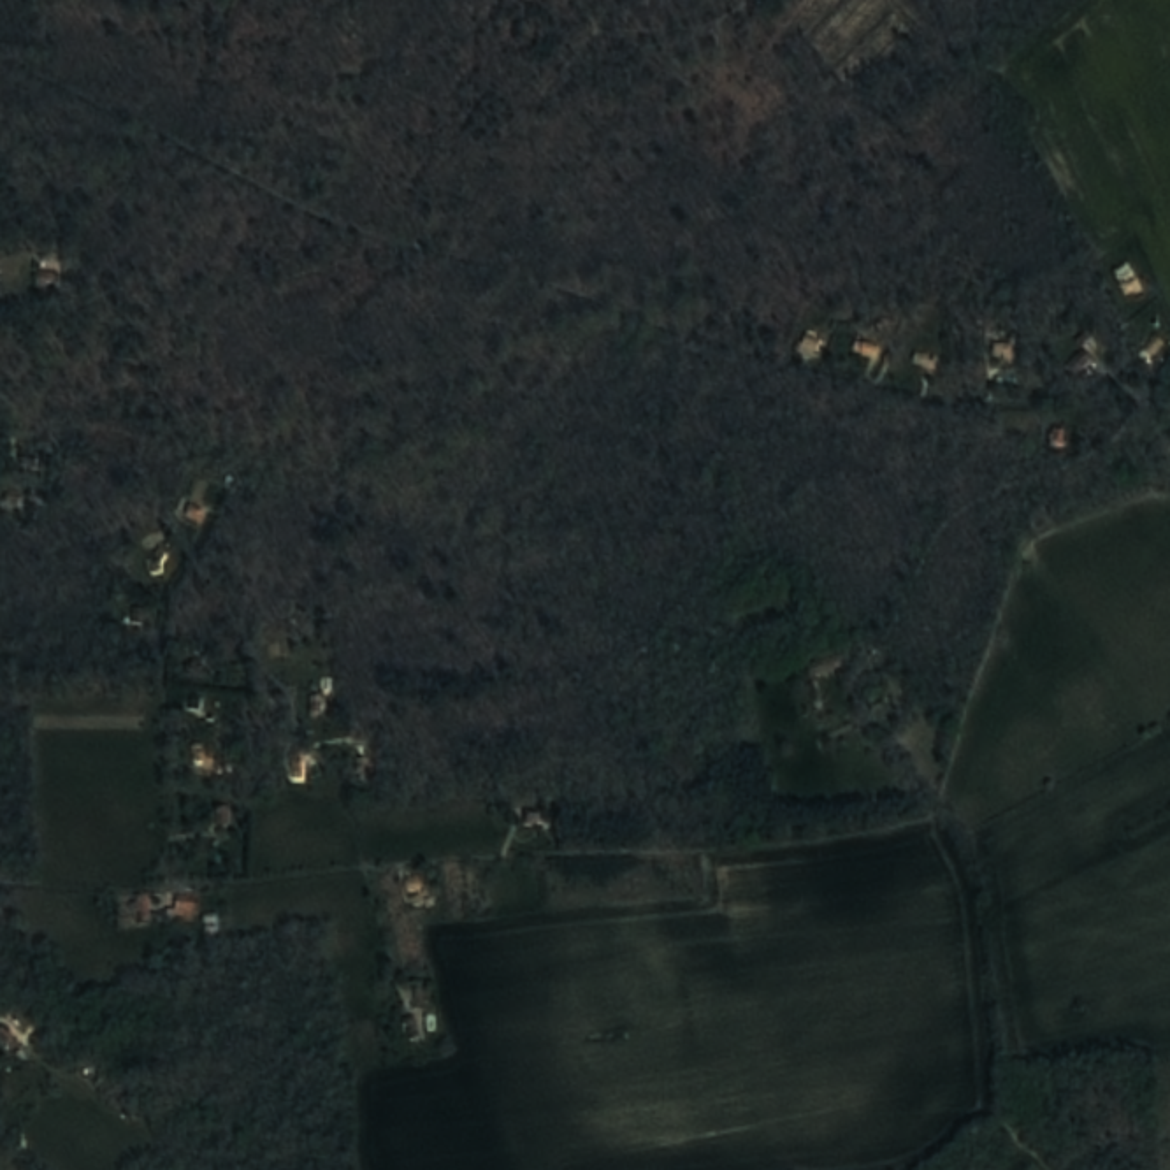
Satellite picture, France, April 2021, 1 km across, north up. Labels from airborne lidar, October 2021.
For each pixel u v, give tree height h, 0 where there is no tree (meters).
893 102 15
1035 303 21
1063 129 0
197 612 18
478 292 17
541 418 20
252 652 19
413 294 15
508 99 8
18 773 15
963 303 8
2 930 10
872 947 0
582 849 17
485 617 14
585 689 18
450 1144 0
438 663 15
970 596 20
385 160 13
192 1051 15
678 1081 0
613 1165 0
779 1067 0
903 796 9
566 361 22
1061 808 0
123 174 22
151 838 0
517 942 0
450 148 10
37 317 23
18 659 14
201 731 7
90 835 0
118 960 0
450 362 16
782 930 0
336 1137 19
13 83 21
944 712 15
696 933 0
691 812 14
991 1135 19
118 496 15
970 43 21
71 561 15
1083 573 0
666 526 20
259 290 13
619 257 14
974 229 8
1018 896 0
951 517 19
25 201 13
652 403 19
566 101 11
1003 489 22
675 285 15
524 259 17
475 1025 0
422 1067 0
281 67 11
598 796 18
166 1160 15
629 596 21
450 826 0
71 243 28
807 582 20
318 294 12
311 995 23
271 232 12
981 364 13
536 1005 0
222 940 16
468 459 17
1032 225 13
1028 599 0
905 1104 0
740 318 12
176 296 11
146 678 18
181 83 13
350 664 12
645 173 12
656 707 17
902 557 19
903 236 11
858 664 17
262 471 16
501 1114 0
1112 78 0
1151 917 0
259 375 14
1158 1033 0
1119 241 0
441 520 22
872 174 13
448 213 14
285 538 14
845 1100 0
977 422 18
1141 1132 10
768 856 0
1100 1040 0
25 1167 15
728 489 24
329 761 7
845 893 0
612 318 27
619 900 0
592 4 10
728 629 22
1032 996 0
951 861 0
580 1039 0
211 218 17
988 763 0
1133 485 23
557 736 21
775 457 18
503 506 16
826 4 0
